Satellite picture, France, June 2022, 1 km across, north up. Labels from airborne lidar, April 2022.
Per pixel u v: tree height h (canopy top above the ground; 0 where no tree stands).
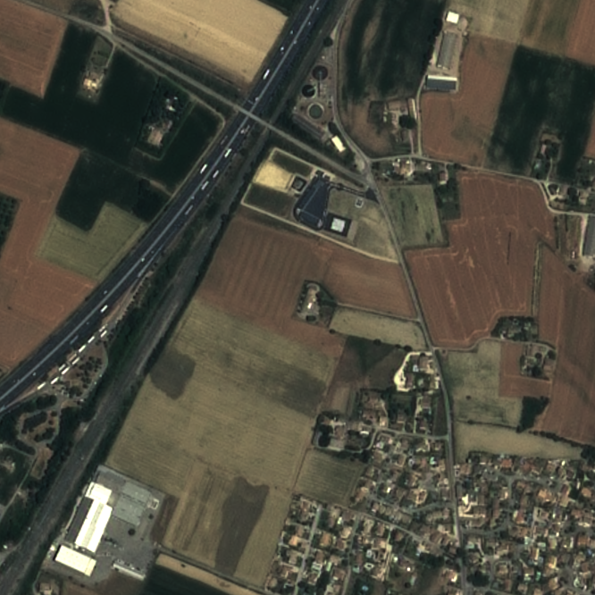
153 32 0
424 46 0
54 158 0
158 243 0
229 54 0
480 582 8
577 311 0
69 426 13
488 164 0
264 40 0
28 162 0
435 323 0
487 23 0
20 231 0
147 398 0
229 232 0
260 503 0
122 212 0
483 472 0
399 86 0
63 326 0
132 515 0
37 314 0
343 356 0
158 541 0
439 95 0
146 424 0
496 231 0
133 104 0
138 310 12
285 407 0
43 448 0
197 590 0
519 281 0
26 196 0
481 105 0
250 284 0
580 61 0
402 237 0
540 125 0
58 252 0
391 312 0
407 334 0
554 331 0
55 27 0
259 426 0
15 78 0
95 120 0
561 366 0
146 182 10
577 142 0
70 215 0
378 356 0
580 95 0
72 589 0
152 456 0
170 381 0
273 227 0
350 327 0
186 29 0
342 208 0
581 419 0
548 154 13
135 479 0
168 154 0
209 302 0
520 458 0
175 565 0
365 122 0
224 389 0
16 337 0
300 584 12
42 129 0
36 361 0
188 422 0
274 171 0
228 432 0
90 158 0
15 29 0
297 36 0
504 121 0
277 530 0
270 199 0
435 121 0
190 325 0
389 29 0
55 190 0
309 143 6
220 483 0
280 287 0
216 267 0
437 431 0
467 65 0
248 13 0
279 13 0
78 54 0
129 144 0
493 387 0
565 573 0
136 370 0
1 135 0
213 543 0
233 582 0
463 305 0
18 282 0
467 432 0
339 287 0
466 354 0
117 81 0
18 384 0
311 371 0
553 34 0
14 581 0
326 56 0
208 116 0
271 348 0
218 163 0
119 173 0
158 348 13
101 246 0
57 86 0
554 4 0
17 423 39
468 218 0
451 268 0
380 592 0
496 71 0
